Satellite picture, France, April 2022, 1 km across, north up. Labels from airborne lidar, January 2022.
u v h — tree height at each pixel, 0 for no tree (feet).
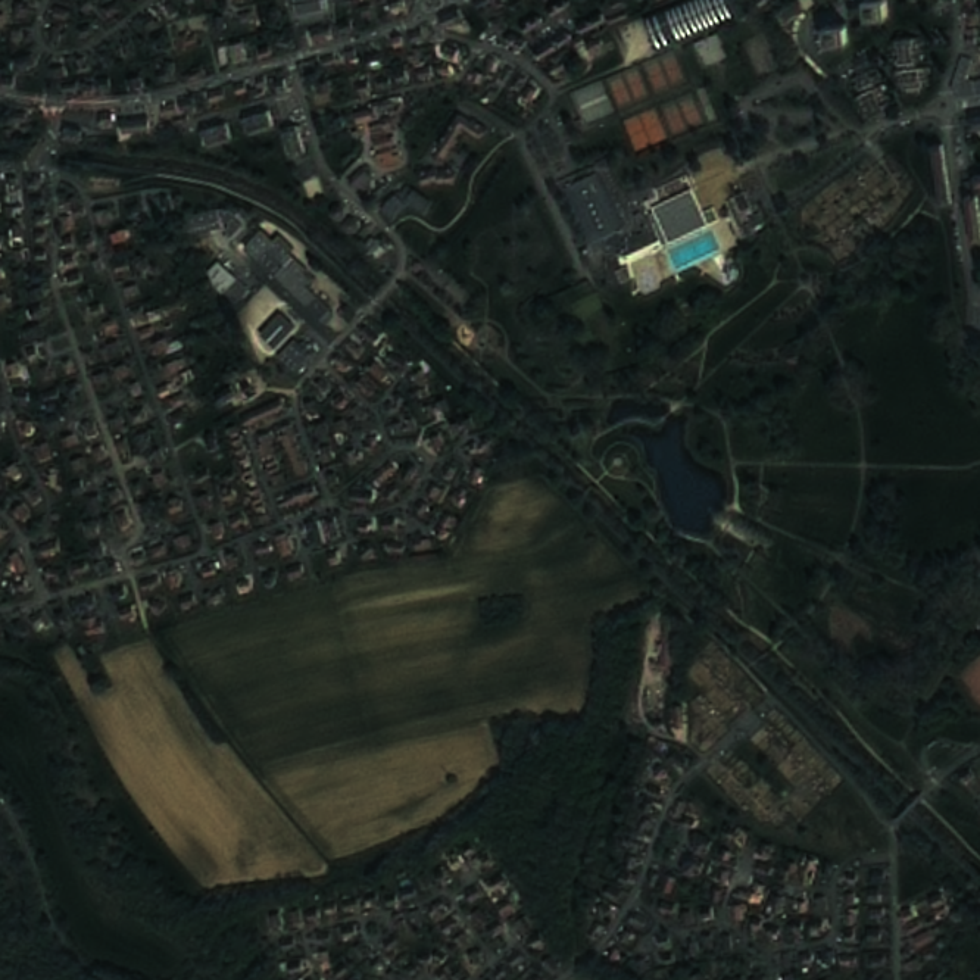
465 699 0
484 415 47
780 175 0
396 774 0
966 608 59
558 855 70
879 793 26
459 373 33
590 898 53
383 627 0
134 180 0
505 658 0
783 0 30
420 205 0
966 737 0
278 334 0
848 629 0
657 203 0
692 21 0
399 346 0
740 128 56
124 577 0
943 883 31
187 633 0
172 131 51
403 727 0
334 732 0
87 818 24
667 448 0
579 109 0
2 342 0
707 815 0
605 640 55
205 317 25
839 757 25
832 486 0
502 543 0
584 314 0
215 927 52
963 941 25
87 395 0
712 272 0
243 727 0
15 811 37
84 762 42
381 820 0
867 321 0
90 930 0
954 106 0
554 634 0
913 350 0
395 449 0
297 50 0
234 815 0
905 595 0
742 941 0
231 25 0
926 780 0
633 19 0
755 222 0
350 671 0
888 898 0
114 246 34
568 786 77
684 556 52
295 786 0
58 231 30
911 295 46
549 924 58
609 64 0
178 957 0
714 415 0
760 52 0
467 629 0
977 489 0
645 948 0
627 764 23
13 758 0
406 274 0
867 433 0
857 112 65
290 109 0
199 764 0
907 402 0
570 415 0
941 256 0
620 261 0
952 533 0
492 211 0
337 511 23
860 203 0
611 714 52
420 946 0
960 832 0
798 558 0
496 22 0
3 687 0
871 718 0
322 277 0
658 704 0
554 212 0
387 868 53
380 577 0
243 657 0
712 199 0
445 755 0
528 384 0
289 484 0
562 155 51
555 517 0
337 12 0
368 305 0
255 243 0
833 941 0
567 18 0
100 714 0
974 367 37
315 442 21
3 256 29
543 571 0
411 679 0
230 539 0
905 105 0
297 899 55
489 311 0
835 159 0
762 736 0
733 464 0
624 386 67
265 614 0
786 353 20
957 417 0
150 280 27
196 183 0
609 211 0
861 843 0
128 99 0
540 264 0
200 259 22
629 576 0
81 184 0
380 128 0
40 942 49
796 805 0
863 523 0
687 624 38
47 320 0
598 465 0
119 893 44
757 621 0
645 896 0
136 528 0
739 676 0
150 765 0
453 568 0
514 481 0
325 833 0
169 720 0
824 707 43
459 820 52
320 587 0
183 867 0
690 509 0
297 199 32
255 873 0
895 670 94
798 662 0
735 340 0
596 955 30
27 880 40
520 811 66
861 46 0
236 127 0
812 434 0
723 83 0
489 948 0
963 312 0
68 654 0
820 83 57
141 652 0
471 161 22
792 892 0
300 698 0
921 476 0
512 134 0
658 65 0
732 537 0
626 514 27
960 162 0
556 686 0
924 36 0
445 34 0
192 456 0
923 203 0
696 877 0
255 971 63
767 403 46
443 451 18
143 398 18
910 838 47
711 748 0
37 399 46
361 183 0
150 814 0
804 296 0
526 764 60
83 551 0
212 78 0
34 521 30
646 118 0
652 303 0
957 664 25
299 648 0
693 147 0
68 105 0
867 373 47
